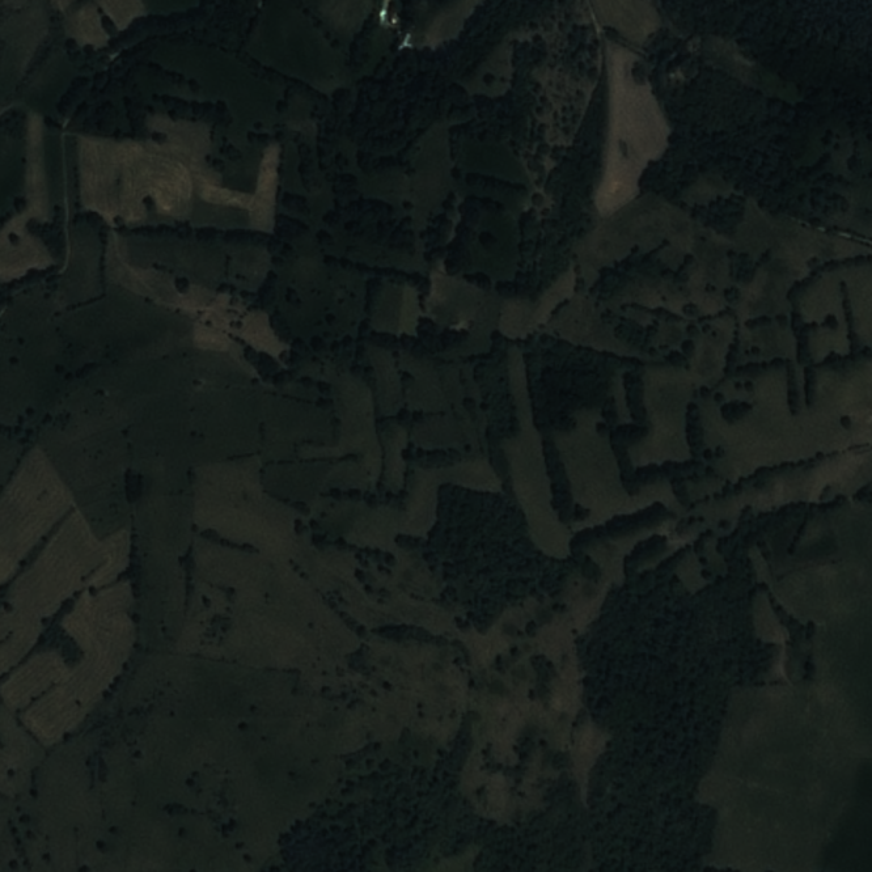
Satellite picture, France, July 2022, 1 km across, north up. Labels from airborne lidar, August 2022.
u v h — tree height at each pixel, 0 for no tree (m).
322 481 0
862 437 0
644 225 0
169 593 0
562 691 0
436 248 13
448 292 0
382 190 0
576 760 0
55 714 0
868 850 0
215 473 0
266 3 9
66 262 0
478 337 0
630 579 13
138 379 0
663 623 14
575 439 0
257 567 0
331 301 0
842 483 0
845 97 11
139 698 0
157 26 19
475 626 7
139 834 0
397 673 0
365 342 10
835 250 0
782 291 0
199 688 0
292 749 0
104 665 0
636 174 0
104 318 0
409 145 17
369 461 0
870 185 0
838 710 0
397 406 0
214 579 0
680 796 13
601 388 14
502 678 0
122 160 0
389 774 11
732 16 10
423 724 0
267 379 10
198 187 0
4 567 0
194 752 0
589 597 0
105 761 0
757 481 8
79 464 0
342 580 0
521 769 7
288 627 0
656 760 9
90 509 0
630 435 16
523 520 13
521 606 8
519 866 12
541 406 17
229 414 0
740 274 8
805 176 16
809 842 0
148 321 0
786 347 0
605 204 0
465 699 0
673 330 0
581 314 0
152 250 0
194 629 0
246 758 0
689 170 17
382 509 0
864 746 0
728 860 0
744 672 12
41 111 0
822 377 0
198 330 0
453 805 11
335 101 14
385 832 14
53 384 0
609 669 15
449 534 12
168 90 0
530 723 0
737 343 8
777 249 0
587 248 0
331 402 11
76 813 0
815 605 0
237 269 0
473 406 8
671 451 0
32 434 12
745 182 14
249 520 0
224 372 0
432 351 14
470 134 19
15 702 0
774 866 0
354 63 18
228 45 14
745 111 6
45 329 0
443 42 0
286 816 0
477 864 9
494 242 15
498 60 0
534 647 0
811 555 0
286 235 16
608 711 7
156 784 0
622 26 0
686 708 9
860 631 0
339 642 0
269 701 0
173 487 0
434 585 0
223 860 0
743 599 14
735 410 19
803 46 17
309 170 14
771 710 0
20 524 0
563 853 9
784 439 0
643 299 0
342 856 17
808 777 0
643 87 0
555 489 15
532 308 0
